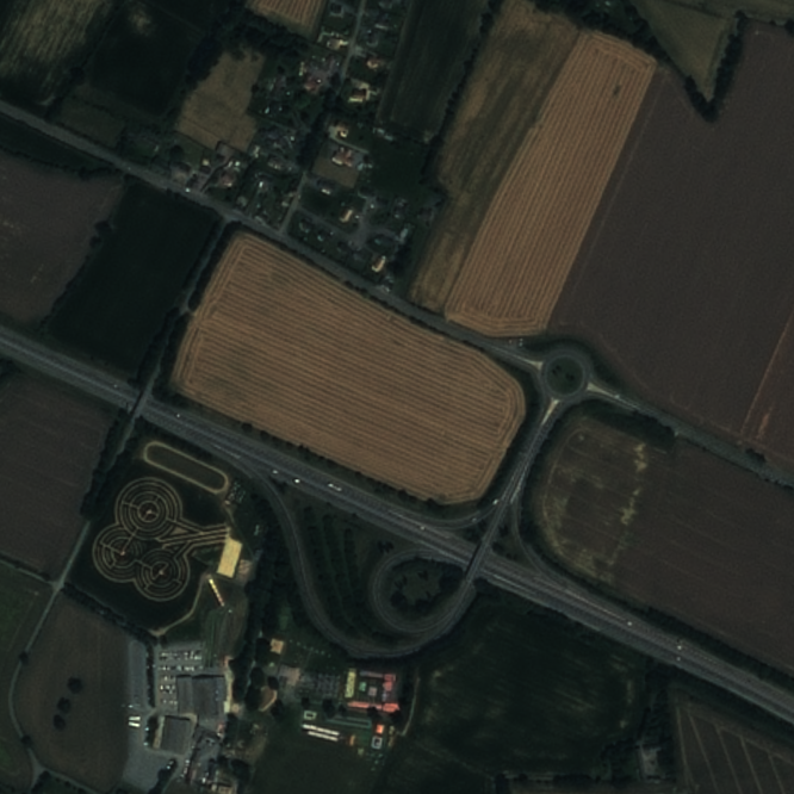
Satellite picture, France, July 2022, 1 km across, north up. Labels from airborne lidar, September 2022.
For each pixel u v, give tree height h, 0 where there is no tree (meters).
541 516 0
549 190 0
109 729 0
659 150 0
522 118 0
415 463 0
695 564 0
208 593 0
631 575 0
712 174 0
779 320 0
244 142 0
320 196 0
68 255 0
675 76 0
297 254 7
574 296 0
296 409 0
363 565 0
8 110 0
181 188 0
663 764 11
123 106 0
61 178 0
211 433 0
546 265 0
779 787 0
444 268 0
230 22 21
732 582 0
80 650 0
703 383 0
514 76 0
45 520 0
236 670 13
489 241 0
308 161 17
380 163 0
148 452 0
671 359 0
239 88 0
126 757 0
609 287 0
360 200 0
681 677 13
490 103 0
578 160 0
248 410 0
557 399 0
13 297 0
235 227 10
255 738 0
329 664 0
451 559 0
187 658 0
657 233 0
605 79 0
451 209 0
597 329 0
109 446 11
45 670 0
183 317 7
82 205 0
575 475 0
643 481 0
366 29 0
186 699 0
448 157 0
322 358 0
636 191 0
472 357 0
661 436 0
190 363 0
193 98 0
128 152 6
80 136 8
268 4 0
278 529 12
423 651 11
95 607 9
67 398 0
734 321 0
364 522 0
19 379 0
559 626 9
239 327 0
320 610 0
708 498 0
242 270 0
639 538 0
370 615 8
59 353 0
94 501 11
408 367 0
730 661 8
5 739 0
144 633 10
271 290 0
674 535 0
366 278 7
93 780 0
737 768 0
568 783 13
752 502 0
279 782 0
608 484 0
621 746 13
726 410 0
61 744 0
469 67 14
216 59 17
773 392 0
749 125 0
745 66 0
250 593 15
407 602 19
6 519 0
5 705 0
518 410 0
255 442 0
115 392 0
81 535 0
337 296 0
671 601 0
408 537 0
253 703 13
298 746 0
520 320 0
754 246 0
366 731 0
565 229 0
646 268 0
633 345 0
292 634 0
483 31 11
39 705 0
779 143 0
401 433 0
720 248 0
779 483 6
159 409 0
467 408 0
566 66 0
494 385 0
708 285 0
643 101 0
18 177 0
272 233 0
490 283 0
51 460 0
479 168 0
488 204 0
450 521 0
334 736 0
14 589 0
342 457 0
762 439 0
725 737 0
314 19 0
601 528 0
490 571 0
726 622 0
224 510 0
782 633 0
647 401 0
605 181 0
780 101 0
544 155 0
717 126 0
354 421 0
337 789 0
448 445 0
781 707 0
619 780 15
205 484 0
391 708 0
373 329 0
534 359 0
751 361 0
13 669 0
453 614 0
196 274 10
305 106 6
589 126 0
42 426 0
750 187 0
